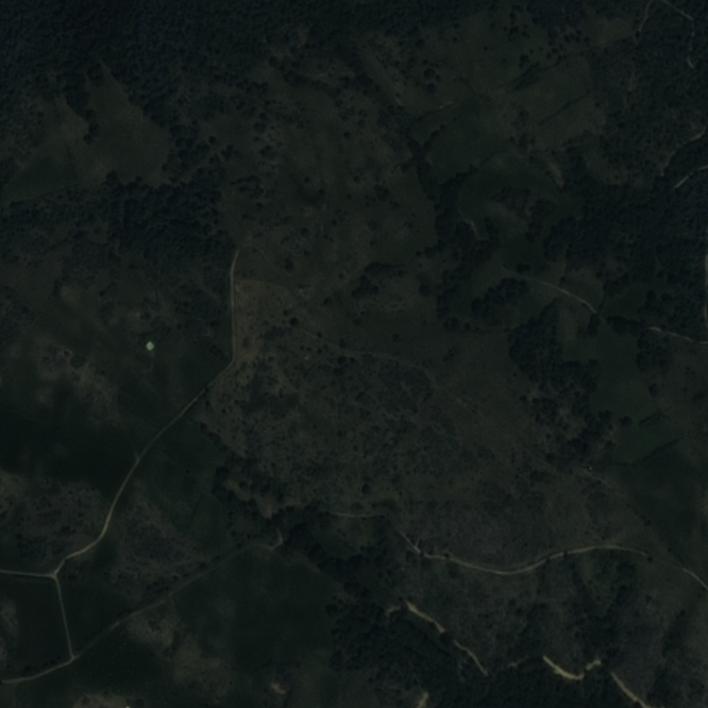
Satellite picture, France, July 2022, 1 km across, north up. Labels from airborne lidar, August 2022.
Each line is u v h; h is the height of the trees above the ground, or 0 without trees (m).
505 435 0
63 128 0
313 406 0
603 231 14
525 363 14
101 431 0
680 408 0
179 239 8
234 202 0
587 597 12
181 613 0
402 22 6
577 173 7
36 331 0
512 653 14
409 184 0
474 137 0
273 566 0
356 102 0
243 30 9
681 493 0
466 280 12
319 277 0
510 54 0
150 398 0
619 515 0
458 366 0
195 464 0
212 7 8
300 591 0
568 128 0
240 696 0
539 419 9
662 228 22
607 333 0
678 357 0
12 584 0
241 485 13
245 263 0
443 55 0
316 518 13
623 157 9
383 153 0
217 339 0
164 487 0
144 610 0
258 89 14
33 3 10
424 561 11
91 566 0
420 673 12
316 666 0
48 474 0
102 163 0
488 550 0
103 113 0
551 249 17
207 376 0
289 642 0
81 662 0
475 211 0
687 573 0
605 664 15
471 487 0
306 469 6
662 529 0
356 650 9
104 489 0
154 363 0
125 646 0
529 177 0
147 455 0
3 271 0
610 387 0
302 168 0
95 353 0
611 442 9
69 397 0
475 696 17
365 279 11
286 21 8
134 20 13
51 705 0
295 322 11
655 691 8
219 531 0
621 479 0
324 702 0
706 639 0
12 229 6
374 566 8
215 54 8
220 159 15
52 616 0
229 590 0
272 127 5
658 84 9
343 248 0
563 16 11
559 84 0
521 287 12
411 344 0
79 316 0
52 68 9
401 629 21
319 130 0
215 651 0
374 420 0
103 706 0
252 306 0
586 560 0
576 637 11
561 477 0
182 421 0
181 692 0
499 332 0
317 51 10
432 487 0
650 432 0
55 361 0
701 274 6
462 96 0
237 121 0
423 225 0
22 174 0
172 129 11
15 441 0
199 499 0
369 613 18
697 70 10
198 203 6
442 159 0
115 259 8
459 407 0
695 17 10
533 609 9
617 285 15
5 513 6
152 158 0
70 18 17
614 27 0
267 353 0
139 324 0
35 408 0
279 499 13
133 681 0
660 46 13
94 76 19
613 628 13
